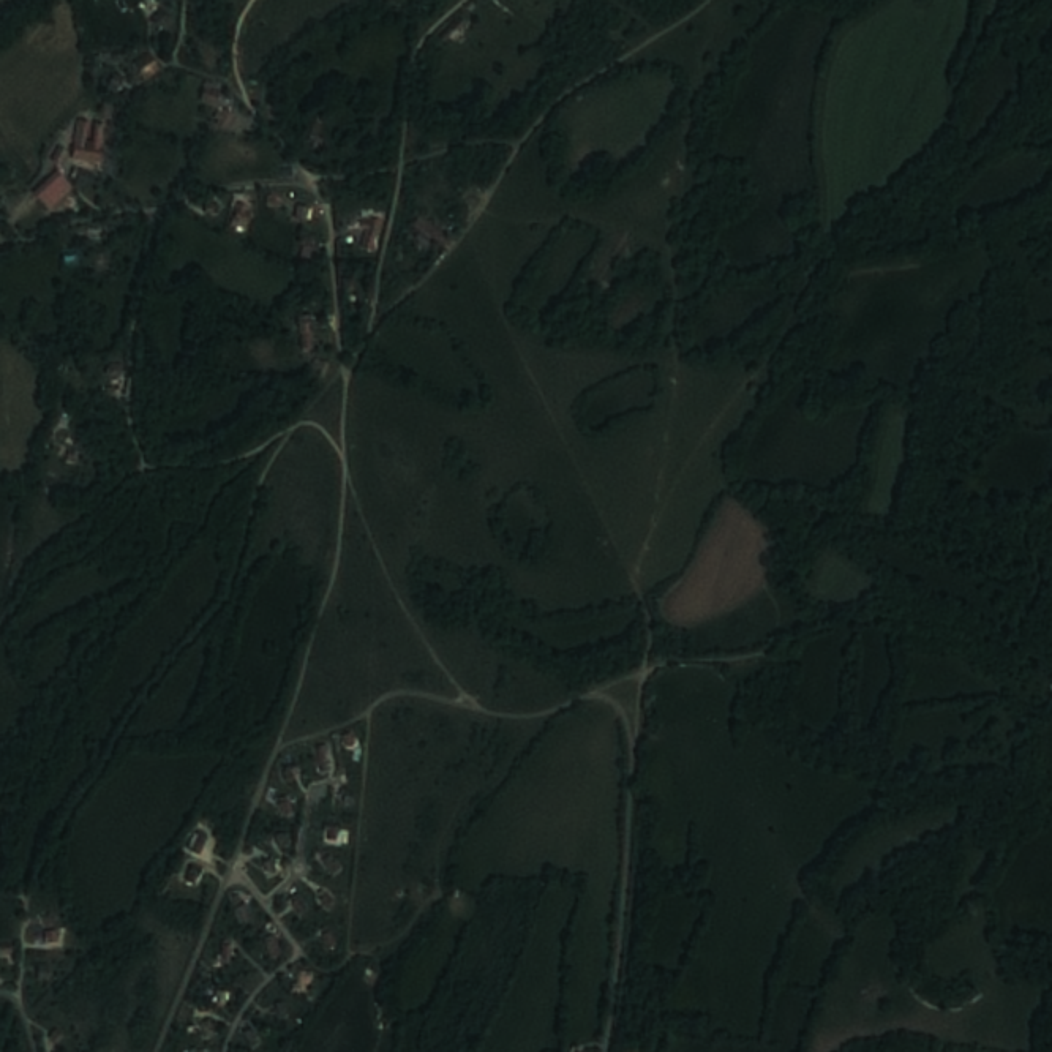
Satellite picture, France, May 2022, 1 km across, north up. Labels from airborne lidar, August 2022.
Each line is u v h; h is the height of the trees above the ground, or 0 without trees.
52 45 0
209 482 9
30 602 11
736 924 0
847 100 0
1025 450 0
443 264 0
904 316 0
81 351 15
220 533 7
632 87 0
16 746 16
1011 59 12
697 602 0
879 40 0
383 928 0
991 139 13
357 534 0
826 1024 0
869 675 0
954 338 12
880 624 12
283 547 8
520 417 0
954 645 14
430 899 0
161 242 17
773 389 13
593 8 6
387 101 0
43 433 14
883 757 13
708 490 0
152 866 9
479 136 9
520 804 0
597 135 0
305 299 13
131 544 15
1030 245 19
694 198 7
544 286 0
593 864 0
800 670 11
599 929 0
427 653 0
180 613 0
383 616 0
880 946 0
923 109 0
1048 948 18
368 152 15
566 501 0
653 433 0
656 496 0
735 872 0
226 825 7
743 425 7
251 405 20
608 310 20
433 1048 6
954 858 18
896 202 18
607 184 16
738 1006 0
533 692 0
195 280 22
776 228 0
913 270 0
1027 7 19
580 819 0
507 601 11
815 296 12
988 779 16
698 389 0
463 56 0
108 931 14
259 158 0
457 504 0
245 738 8
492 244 0
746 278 11
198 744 16
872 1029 0
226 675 10
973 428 20
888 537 6
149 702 8
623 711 0
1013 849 16
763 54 0
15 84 0
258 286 0
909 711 10
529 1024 0
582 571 0
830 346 18
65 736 18
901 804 15
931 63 0
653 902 15
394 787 0
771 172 0
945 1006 14
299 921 7
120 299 0
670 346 10
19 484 14
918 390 11
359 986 0
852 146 0
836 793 0
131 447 12
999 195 0
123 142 24
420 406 0
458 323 0
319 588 6
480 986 9
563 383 0
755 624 0
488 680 0
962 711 7
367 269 15
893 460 0
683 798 0
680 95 14
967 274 0
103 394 9
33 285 0
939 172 17
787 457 0
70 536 9
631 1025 15
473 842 0
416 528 0
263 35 0
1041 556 8
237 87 0
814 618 9
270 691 0
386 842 0
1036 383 0
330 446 0
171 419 12
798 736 14
